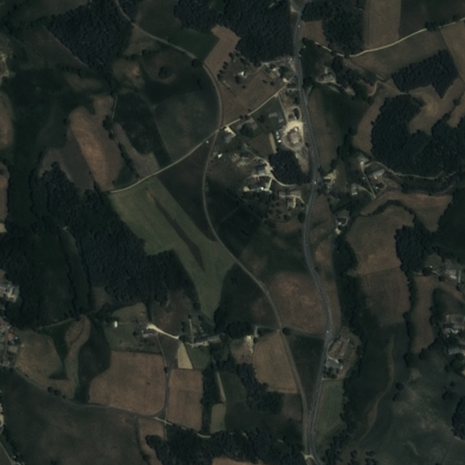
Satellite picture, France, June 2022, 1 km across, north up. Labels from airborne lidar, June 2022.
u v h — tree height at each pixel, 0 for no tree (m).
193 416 0
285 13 26
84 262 8
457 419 22
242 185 0
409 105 16
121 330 0
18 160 0
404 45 0
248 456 11
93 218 12
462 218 0
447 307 0
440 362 0
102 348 0
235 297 0
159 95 0
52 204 22
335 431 0
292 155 13
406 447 0
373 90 0
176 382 0
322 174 12
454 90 0
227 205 0
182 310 0
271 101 0
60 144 0
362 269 0
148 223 0
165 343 0
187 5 13
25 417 0
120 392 0
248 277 0
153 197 0
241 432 6
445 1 0
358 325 29
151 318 6
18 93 0
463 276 0
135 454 0
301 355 0
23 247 31
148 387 0
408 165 10
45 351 0
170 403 0
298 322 0
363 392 0
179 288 8
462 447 0
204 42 0
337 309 0
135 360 0
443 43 0
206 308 0
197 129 0
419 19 0
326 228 0
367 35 0
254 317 0
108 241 20
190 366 0
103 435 0
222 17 20
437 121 0
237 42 0
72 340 0
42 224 10
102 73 6
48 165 0
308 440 0
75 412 0
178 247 0
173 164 0
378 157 10
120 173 0
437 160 16
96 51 18
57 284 0
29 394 0
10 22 13
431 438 0
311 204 0
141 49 0
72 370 0
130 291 20
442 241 0
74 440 0
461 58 0
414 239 19
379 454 0
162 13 0
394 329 0
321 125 0
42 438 0
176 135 0
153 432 0
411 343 8
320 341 0
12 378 0
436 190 21
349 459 0
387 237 0
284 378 0
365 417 0
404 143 17
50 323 8
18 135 0
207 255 0
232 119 0
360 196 0
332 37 8
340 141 0
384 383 0
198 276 0
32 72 0
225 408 0
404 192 13
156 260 21
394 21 0
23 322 17
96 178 0
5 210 0
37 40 0
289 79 0
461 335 13
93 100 0
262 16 22
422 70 19
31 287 24
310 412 0
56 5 0
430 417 0
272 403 9
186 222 0
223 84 0
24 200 0
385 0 0
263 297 0
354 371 8
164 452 18
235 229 0
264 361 0
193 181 0
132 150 0
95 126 0
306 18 23
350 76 15
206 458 8
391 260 0
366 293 0
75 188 18
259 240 0
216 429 0
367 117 0
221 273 0
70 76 0
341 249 14
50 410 0
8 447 0
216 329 11
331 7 22
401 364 0
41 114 0
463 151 29
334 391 0
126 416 0
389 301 0
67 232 0
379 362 0
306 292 0
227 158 0
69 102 0
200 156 0
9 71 0
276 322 0
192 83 0
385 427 0
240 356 0
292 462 15
